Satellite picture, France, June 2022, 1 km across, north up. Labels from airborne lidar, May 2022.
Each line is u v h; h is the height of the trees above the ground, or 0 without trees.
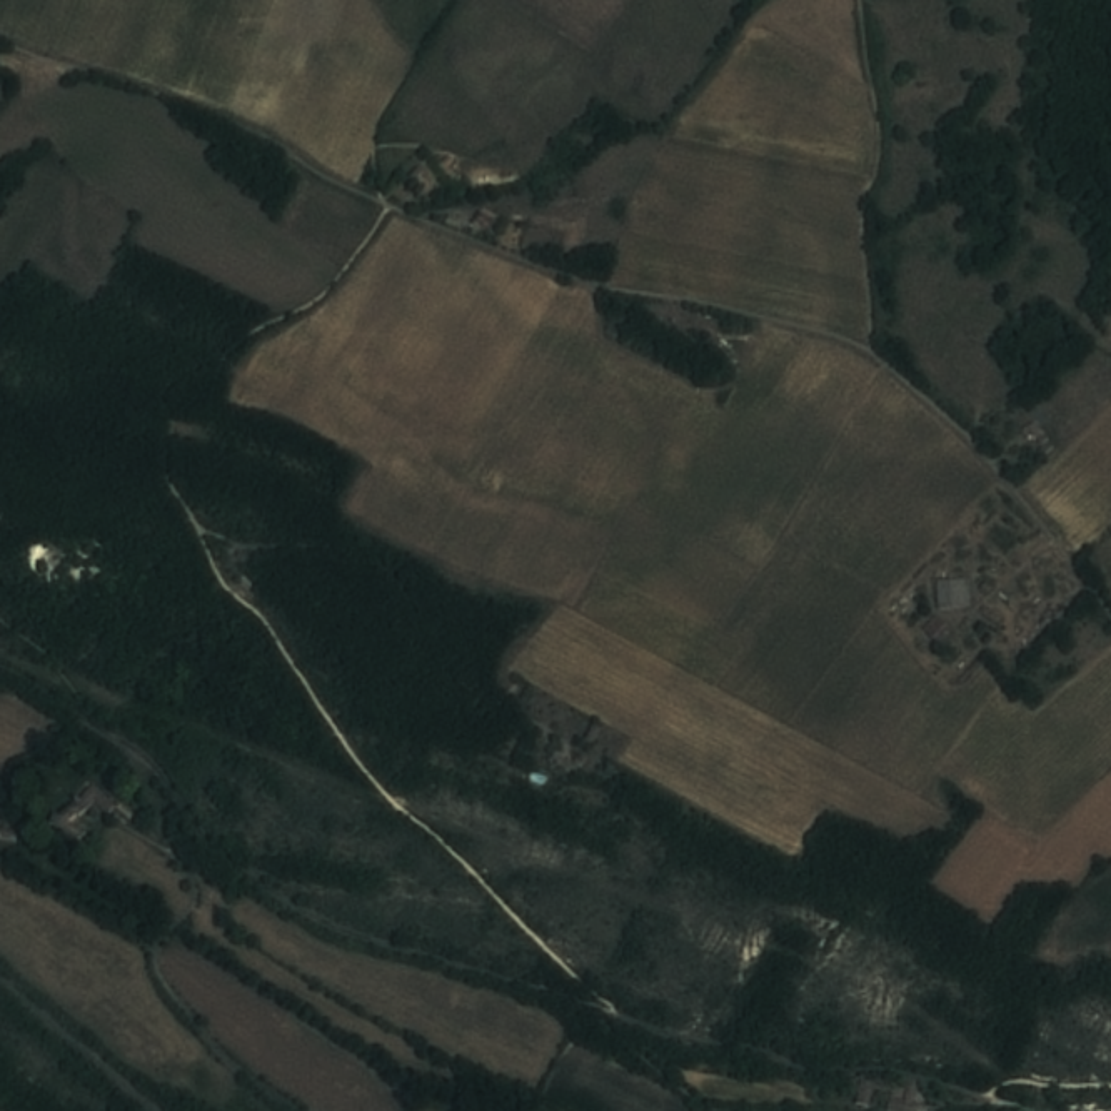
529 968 7
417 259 0
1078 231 16
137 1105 15
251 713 16
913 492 0
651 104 0
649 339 10
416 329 0
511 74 0
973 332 0
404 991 0
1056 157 18
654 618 0
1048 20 12
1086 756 0
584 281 9
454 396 0
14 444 14
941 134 12
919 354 0
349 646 11
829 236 0
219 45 0
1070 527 0
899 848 14
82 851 30
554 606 0
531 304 0
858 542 0
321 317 0
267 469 17
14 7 0
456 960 13
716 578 0
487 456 0
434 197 8
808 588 0
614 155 0
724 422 0
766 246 0
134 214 13
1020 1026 14
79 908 11
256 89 0
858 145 0
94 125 0
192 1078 0
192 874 21
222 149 13
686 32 0
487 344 0
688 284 0
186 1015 8
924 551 0
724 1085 0
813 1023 11
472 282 0
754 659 0
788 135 0
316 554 12
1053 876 0
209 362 11
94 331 10
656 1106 0
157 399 15
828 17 0
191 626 9
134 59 0
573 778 12
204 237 0
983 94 11
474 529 0
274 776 6
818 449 0
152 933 20
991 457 10
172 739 13
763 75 0
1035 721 0
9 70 11
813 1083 10
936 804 0
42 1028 8
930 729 0
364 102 0
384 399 0
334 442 13
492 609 17
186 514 8
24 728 0
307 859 9
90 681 7
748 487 0
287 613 9
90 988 0
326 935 7
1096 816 0
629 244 0
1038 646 12
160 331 10
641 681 0
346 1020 0
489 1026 0
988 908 0
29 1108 15
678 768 0
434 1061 18
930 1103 7
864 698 0
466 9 0
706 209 0
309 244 0
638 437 0
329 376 0
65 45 0
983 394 0
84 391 9
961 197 13
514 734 9
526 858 0
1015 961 13
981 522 0
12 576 6
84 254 0
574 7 0
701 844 10
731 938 0
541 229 0
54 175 0
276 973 0
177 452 16
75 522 10
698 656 0
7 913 0
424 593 16
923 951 10
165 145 0
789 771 0
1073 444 0
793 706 0
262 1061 0
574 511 0
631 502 0
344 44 0
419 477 0
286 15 0
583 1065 0
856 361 0
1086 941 0
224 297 9
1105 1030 0
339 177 0
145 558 12
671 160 0
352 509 0
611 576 0
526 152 0
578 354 0
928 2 0
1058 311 17
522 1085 18
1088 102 19
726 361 10
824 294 0
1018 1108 11
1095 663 0
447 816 0
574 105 0
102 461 12
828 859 11
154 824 18
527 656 0
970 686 0
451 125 0
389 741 6
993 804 0
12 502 13
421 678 13
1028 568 0
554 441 0
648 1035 11
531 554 0
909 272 0
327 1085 0
